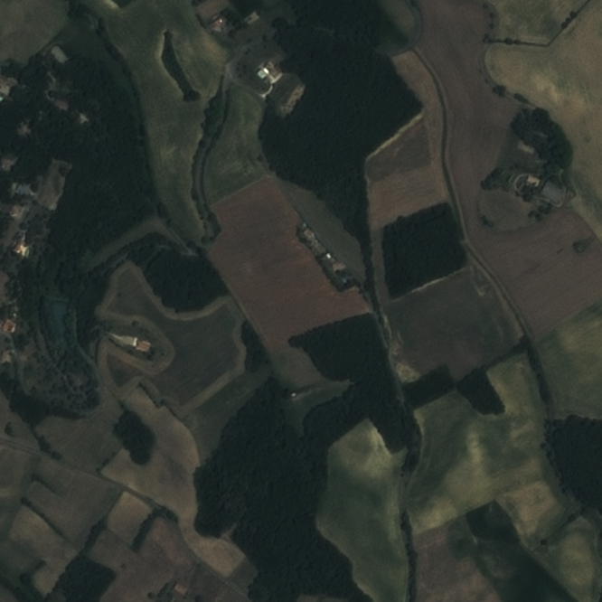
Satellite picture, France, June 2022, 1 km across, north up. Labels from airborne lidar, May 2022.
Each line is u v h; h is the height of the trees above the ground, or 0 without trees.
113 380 0
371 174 0
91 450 0
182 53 0
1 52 0
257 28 0
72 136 20
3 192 12
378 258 0
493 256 0
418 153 0
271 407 17
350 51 19
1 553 0
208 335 0
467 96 0
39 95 16
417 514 0
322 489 10
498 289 0
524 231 0
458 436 0
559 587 0
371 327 15
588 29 0
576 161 0
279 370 0
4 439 0
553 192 0
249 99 0
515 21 0
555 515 0
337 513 0
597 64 0
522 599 0
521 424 0
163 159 0
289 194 0
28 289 12
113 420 0
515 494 0
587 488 21
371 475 0
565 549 0
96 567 15
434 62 0
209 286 16
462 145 0
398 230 8
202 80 0
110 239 6
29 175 13
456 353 0
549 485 0
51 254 16
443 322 0
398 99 18
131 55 0
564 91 0
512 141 0
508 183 7
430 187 0
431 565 0
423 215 8
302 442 11
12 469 0
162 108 0
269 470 21
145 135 26
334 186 7
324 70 21
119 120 19
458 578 0
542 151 31
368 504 0
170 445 0
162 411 0
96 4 0
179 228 0
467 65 0
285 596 16
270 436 20
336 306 0
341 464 0
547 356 0
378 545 0
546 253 0
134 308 0
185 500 0
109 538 0
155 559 0
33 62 14
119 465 0
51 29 0
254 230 0
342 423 17
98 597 13
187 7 0
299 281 0
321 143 15
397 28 0
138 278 0
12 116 19
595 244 0
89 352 6
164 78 0
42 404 17
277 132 16
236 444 22
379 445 0
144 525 11
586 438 18
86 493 0
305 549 22
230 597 0
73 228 10
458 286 0
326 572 18
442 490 0
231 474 21
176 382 0
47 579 0
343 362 17
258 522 20
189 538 0
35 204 8
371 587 0
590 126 0
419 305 0
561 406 0
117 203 9
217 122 11
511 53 0
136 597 0
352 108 21
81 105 14
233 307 0
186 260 14
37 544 0
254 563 7
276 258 0
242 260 0
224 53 0
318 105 18
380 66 11
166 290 16
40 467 0
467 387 16
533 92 0
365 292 10
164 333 0
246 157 0
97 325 7
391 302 0
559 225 0
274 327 0
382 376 16
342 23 19
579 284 0
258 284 0
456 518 0
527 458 0
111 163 16
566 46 0
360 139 18
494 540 0
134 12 0
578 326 0
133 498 0
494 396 13
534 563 0
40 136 17
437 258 18
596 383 0
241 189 0
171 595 7
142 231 0
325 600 0
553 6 0
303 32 23
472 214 0
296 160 11
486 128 0
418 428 12
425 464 0
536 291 0
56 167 0
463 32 0
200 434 0
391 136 13
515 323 0
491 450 0
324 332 19
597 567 0
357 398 20
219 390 0
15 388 17
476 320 0
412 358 0
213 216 10
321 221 0
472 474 0
